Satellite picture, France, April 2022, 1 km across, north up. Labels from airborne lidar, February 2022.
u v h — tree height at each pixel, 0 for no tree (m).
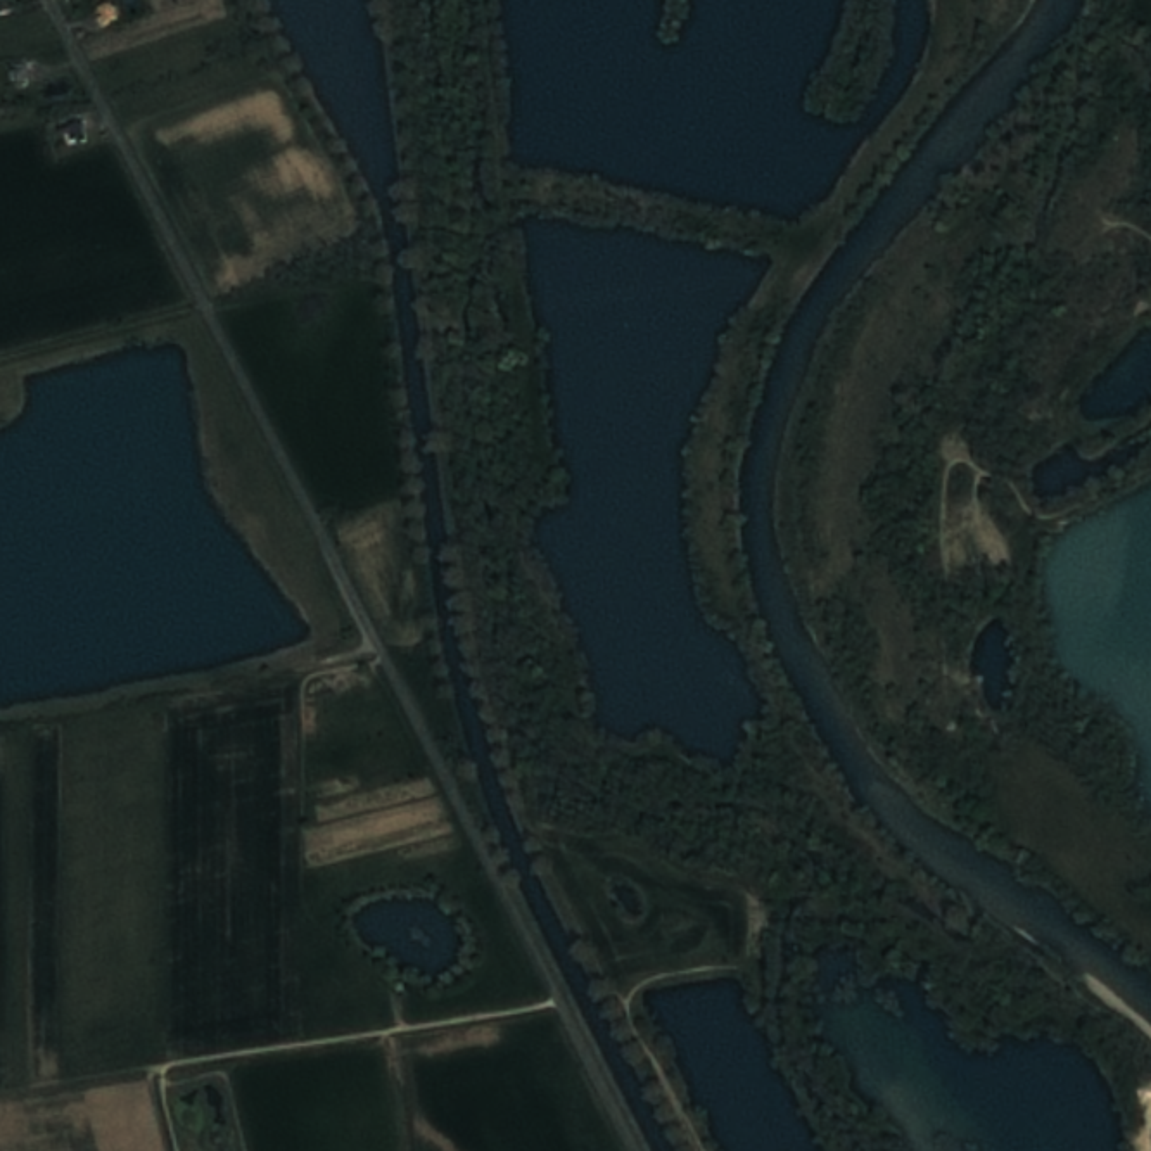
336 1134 0
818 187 0
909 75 0
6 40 0
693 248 0
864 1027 0
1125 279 0
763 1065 0
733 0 0
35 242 0
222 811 0
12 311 0
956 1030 12
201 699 0
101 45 0
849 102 7
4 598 0
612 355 0
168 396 0
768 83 0
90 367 0
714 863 19
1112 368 0
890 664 0
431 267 15
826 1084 16
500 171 15
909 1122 0
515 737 14
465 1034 0
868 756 0
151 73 0
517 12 0
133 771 0
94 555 0
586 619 0
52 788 0
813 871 21
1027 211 11
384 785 0
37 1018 0
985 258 12
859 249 0
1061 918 0
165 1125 0
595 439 0
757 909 0
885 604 0
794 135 0
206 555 0
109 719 0
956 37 0
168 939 0
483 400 17
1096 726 10
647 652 0
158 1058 0
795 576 0
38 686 0
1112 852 0
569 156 0
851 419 0
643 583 0
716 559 0
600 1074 0
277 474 0
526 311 0
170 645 0
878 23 18
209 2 0
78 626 0
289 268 12
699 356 0
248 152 0
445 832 0
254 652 0
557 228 0
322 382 0
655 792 20
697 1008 0
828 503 0
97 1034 0
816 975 21
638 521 0
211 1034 0
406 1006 0
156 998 0
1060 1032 20
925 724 13
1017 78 0
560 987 0
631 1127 0
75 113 10
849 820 0
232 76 0
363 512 0
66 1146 0
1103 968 0
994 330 14
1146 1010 0
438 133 17
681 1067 0
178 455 0
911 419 17
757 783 13
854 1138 13
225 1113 0
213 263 0
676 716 0
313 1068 0
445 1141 0
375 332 0
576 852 0
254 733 0
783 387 0
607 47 0
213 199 0
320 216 0
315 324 0
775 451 0
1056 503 15
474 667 17
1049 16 0
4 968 0
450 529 0
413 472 16
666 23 6
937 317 0
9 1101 0
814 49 0
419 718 0
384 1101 0
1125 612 0
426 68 20
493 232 14
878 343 0
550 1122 0
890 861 0
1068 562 0
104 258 0
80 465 0
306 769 0
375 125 0
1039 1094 0
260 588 0
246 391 0
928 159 0
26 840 0
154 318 0
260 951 0
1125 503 0
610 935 0
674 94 0
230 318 0
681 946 0
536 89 0
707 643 0
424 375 0
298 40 0
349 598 0
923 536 13
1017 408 20
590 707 16
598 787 12
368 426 0
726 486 10
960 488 0
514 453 12
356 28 0
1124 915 0
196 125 0
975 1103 0
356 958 0
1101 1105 0
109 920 0
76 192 0
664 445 0
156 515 0
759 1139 0
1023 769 0
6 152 0
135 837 0
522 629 18
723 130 0
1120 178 0
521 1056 0
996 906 0
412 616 0
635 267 0
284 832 0
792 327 0
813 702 0
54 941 0
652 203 11
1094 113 16
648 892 0
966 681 0
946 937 0
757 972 0
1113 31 10
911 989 0
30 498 0
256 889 0
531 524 14
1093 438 0
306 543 0
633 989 0
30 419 0
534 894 0
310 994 0
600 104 0
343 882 0
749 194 0
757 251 12
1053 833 0
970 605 16
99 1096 0
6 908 0
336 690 0
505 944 0
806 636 0
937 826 0
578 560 0
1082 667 0
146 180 0
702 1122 9
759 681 13
